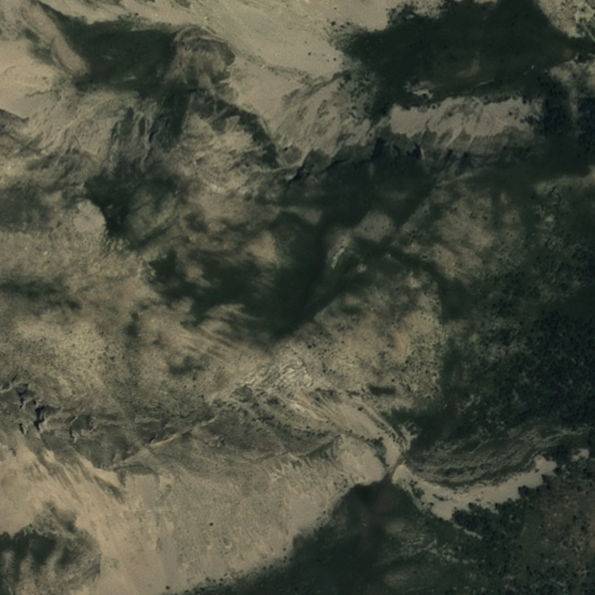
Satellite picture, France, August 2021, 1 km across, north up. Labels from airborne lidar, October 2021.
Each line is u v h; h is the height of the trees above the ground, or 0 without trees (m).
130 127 0
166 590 0
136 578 0
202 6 0
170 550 0
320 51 0
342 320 0
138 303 0
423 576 0
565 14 0
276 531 0
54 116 0
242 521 0
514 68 0
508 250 0
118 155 0
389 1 0
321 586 0
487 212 0
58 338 0
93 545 0
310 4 0
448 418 0
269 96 0
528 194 0
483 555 0
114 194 0
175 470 0
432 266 0
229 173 0
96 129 0
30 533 0
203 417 0
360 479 0
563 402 7
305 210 0
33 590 0
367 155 0
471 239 0
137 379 0
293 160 0
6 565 0
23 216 0
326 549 0
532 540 0
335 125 0
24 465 0
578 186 0
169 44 0
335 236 0
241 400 0
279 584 0
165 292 0
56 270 0
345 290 0
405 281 0
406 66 0
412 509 0
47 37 0
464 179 0
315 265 0
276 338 0
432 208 0
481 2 0
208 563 0
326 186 0
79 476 0
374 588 0
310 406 0
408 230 0
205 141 0
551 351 8
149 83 0
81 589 0
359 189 0
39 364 0
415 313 0
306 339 0
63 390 0
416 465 0
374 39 0
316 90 0
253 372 0
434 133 0
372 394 0
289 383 0
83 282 0
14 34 0
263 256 0
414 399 0
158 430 0
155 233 0
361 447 0
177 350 0
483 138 0
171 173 0
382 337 0
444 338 0
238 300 0
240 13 0
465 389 0
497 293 0
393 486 0
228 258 0
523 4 0
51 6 0
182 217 0
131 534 0
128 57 0
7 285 0
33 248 0
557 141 0
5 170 0
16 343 0
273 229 0
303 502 0
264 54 0
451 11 0
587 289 0
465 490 0
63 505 0
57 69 0
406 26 0
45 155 0
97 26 0
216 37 0
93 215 0
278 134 0
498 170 0
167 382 0
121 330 0
